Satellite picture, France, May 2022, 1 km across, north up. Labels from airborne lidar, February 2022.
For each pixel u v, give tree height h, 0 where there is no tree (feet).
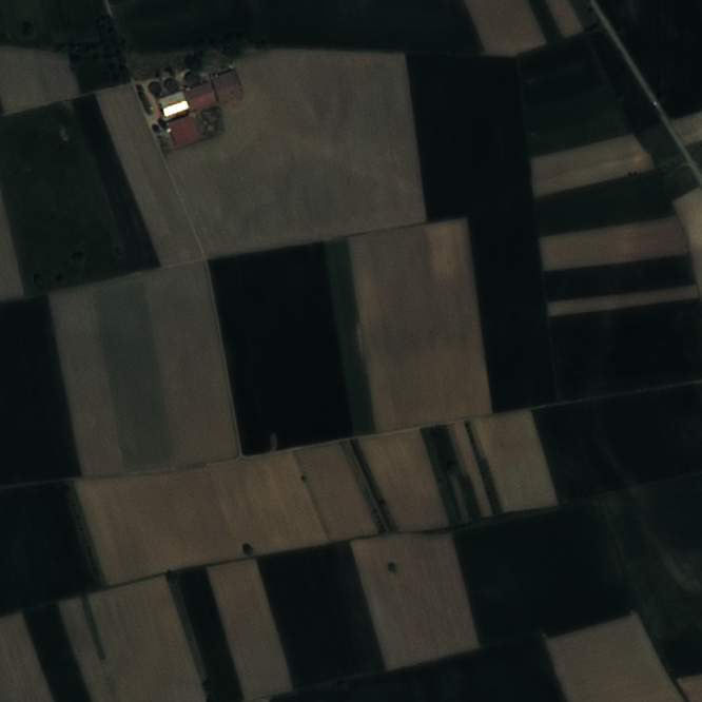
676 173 0
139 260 0
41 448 0
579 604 0
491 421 0
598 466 0
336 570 0
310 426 0
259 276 0
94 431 0
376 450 0
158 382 0
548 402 0
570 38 0
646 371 0
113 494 0
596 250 0
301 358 0
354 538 0
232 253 0
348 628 0
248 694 0
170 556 0
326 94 0
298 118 0
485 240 0
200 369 0
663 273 0
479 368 0
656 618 0
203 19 0
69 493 31
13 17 0
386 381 0
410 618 0
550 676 0
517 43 0
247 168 0
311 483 0
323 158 0
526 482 0
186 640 0
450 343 0
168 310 0
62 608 0
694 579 0
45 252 0
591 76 0
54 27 0
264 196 0
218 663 0
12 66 0
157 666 0
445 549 0
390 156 0
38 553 0
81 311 0
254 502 0
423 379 0
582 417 0
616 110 0
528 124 0
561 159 0
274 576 0
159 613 0
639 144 0
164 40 0
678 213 0
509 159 0
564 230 0
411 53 0
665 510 0
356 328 0
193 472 0
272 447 0
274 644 0
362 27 0
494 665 0
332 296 0
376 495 0
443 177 0
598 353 0
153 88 0
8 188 0
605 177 0
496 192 0
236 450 0
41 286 29
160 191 0
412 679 0
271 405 0
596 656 0
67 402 0
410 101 0
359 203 0
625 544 0
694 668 0
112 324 0
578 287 0
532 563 0
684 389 0
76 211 0
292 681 0
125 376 0
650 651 0
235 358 0
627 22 0
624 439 0
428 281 0
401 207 0
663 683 0
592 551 0
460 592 0
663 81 0
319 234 0
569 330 0
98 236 0
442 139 0
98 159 0
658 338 0
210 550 0
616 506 0
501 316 0
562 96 0
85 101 0
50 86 0
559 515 0
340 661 0
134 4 0
